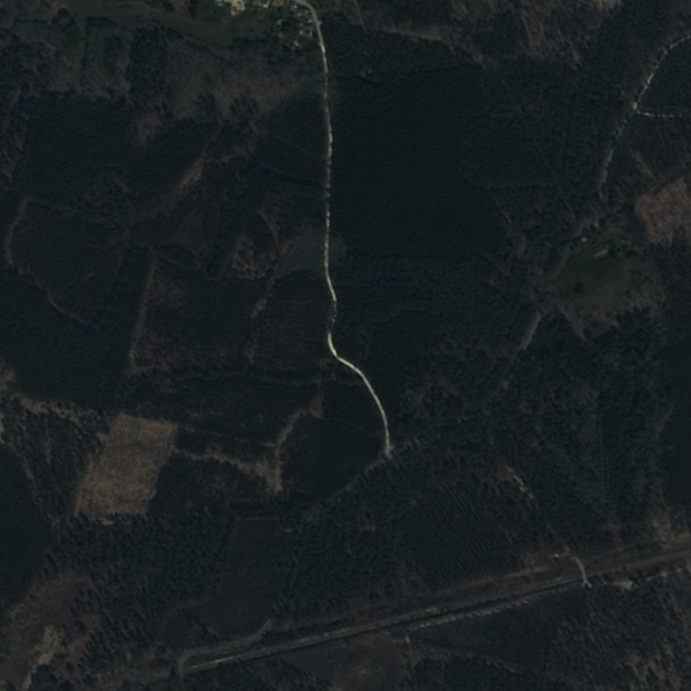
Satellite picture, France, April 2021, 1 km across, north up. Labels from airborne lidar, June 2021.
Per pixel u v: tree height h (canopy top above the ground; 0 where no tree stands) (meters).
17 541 14
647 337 10
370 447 6
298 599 17
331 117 12
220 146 14
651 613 22
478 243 11
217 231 7
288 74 15
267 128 15
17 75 18
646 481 19
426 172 11
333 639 13
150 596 19
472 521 13
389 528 18
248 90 13
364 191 12
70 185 17
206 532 18
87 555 19
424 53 15
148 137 8
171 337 7
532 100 17
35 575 13
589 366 13
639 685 20
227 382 7
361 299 11
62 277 6
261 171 17
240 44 9
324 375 16
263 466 0
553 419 9
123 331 17
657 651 18
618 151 12
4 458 14
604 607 21
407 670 14
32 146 20
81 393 14
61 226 6
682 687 0
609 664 18
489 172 17
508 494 20
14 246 6
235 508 13
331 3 15
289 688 7
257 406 6
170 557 22
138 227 7
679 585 16
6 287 20
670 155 16
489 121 17
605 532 19
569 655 21
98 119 18
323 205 6
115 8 0
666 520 12
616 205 20
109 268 7
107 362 16
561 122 17
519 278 16
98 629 11
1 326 20
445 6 10
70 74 18
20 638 10
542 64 9
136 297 16
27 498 15
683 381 6
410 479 15
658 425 13
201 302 7
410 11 9
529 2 12
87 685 15
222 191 7
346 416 7
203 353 7
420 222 12
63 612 0
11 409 19
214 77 15
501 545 13
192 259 15
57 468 17
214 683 19
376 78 9
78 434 20
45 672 13
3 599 13
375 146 13
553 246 12
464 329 18
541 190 16
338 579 19
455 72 14
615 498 14
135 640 23
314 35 7
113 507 0
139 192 19
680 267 17
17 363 20
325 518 16
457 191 10
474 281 18
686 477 6
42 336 19
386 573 20
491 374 18
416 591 14
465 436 21
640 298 16
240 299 8
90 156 18
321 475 7
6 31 10
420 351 10
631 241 14
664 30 16
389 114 14
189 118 13
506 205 14
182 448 5
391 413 12
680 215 15
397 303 19
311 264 9
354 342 14
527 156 17
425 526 16
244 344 6
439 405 21
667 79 15
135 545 21
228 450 6
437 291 19
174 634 6
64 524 22
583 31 8
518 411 18
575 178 16
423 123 12
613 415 19
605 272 0
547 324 13
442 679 15
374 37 15
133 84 17
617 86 15
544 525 21
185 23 0
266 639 5
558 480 19
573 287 0
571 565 0
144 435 0
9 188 21
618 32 16
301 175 7
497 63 14
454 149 12
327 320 6
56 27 8
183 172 16
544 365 15
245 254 8
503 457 23
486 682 18
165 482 6
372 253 12
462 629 8
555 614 9
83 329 18
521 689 16
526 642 10
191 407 7
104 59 16
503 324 18
